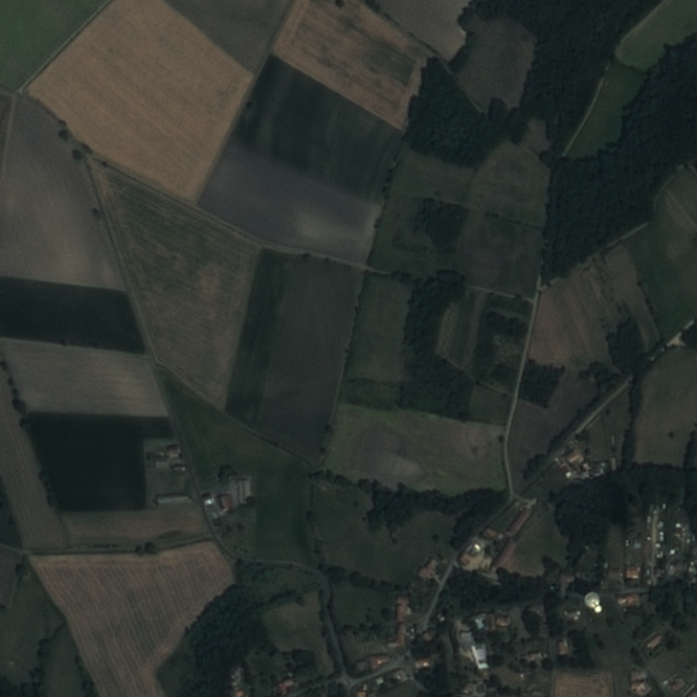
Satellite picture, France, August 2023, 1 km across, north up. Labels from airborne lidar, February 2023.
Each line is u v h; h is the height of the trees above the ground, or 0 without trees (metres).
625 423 0
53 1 0
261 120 0
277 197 0
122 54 0
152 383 0
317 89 0
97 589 0
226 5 0
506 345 0
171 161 0
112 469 0
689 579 8
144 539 0
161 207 0
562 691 0
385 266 0
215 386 0
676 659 0
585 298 0
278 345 0
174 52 0
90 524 0
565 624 10
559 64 15
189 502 0
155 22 0
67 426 0
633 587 11
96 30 0
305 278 0
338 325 0
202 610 0
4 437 0
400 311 0
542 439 0
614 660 0
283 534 0
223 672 17
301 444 0
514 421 0
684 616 10
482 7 14
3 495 9
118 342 0
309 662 15
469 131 8
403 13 0
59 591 0
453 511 16
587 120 0
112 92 0
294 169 0
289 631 0
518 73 0
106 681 0
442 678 20
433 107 13
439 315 14
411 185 0
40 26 0
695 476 23
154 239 0
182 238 0
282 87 0
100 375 0
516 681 0
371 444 0
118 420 0
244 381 0
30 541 0
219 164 0
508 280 0
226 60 0
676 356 0
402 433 0
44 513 0
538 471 14
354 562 0
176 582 0
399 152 6
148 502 0
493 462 0
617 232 17
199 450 0
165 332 0
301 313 0
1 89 0
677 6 0
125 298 0
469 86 0
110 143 0
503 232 0
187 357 0
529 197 0
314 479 10
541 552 0
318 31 0
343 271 0
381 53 0
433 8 0
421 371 13
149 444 0
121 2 0
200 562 0
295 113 0
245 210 0
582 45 22
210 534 0
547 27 15
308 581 0
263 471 0
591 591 17
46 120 0
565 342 0
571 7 17
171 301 0
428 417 0
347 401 0
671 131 15
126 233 0
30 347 0
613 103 0
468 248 0
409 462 0
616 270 0
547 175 0
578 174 22
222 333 0
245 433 0
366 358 0
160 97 0
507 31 0
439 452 0
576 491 15
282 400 0
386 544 0
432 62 10
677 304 0
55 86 0
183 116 0
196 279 0
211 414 0
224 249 0
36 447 0
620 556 0
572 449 10
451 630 10
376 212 0
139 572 0
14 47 0
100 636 0
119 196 0
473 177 0
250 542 0
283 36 0
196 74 0
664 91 17
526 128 17
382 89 0
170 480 0
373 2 9
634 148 25
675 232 0
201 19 0
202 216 0
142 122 0
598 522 25
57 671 0
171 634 0
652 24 0
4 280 0
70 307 0
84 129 0
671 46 0
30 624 0
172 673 0
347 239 0
